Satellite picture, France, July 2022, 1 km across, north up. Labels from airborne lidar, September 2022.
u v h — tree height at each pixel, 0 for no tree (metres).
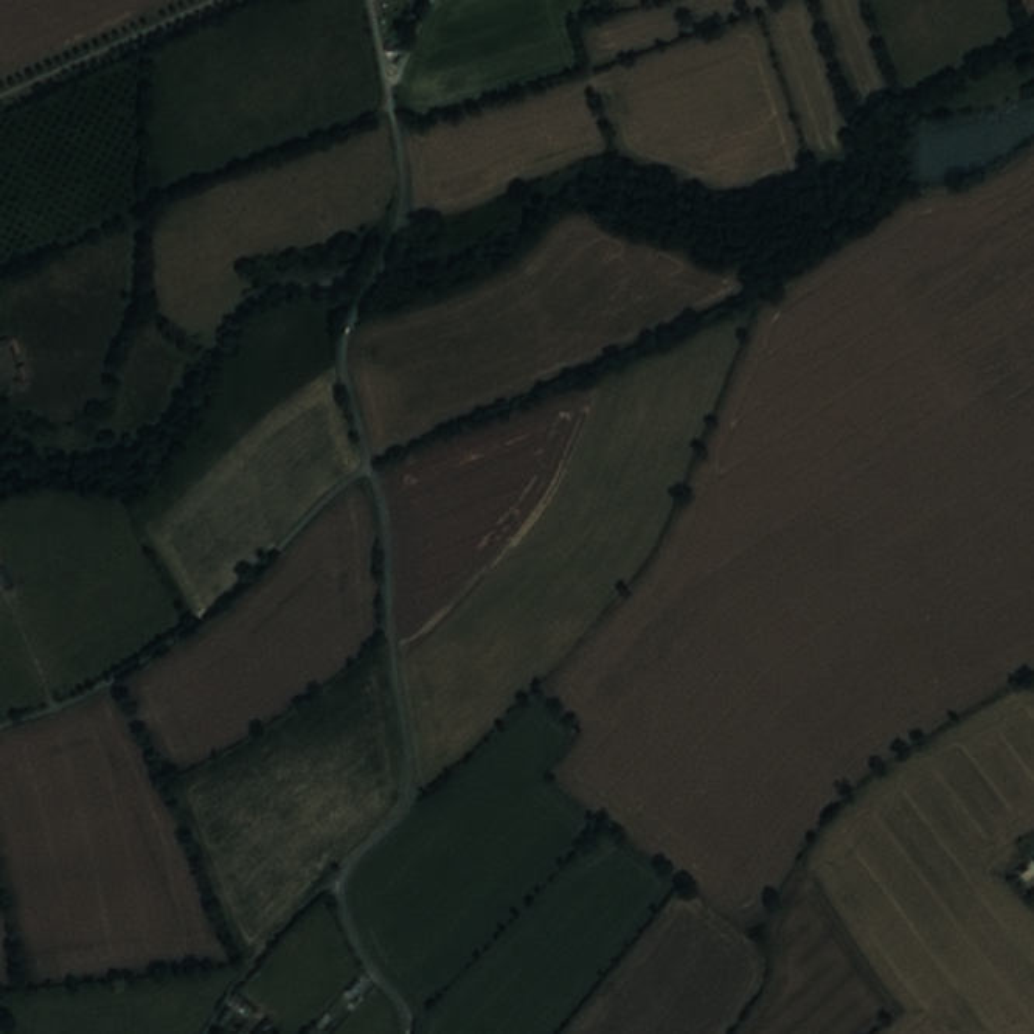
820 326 0
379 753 0
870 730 0
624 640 0
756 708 0
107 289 0
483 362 0
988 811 0
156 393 0
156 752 17
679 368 0
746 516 0
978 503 0
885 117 27
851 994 0
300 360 0
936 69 0
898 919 0
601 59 0
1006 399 0
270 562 12
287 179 0
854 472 0
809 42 0
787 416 0
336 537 0
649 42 0
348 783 0
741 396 0
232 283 0
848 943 0
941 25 0
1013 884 6
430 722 0
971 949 0
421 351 0
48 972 0
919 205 0
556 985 0
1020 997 0
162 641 13
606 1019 0
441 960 0
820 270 0
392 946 0
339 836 0
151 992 0
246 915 0
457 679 0
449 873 0
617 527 0
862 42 0
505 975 0
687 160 0
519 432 0
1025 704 0
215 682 0
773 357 0
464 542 0
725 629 0
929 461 0
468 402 0
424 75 0
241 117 0
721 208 28
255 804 0
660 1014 0
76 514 0
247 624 0
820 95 0
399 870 0
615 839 12
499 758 0
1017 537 0
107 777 0
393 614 0
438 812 0
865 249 0
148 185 14
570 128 0
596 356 0
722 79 0
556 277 0
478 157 0
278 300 20
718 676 0
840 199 22
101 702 0
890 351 0
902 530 0
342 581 0
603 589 0
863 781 0
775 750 0
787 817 0
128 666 9
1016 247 0
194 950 0
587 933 0
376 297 21
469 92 0
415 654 0
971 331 0
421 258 6
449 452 0
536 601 0
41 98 23
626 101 0
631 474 0
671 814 0
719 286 0
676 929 0
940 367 0
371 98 0
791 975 0
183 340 23
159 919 0
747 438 0
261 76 0
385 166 0
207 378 9
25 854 0
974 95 0
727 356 0
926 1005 0
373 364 0
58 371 0
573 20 14
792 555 0
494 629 0
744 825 0
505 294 0
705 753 0
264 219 0
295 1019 0
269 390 0
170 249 0
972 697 0
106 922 0
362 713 0
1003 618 0
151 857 0
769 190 21
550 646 0
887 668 0
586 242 0
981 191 0
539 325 0
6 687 0
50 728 0
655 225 24
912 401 0
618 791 0
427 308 0
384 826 0
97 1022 0
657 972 0
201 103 0
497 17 0
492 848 0
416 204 0
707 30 18
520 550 0
